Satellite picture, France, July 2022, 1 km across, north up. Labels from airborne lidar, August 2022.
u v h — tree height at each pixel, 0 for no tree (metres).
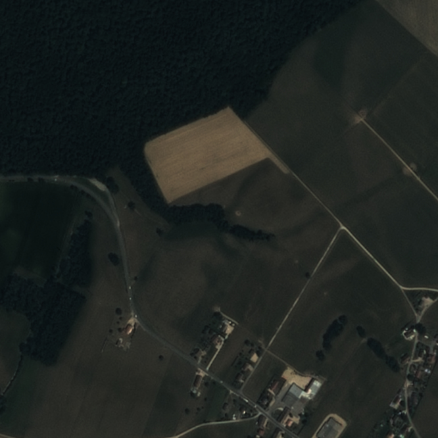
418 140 0
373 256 0
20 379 0
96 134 18
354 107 0
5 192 0
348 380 0
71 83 20
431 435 0
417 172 0
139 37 28
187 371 0
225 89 21
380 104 0
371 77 0
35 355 22
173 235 0
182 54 22
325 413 0
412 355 0
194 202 0
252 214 0
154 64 20
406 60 0
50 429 0
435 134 0
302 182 0
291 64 0
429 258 0
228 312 0
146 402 0
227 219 0
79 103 25
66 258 0
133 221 0
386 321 0
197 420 0
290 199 0
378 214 0
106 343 0
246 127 0
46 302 20
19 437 0
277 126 0
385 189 0
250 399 0
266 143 0
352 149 0
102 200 0
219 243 0
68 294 25
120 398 0
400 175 0
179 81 22
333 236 0
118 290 0
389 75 0
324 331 0
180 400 0
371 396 0
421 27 0
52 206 0
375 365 0
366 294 0
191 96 11
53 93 20
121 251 0
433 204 0
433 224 0
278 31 20
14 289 11
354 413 0
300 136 0
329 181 0
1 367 0
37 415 0
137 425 0
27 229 0
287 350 0
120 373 0
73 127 25
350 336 0
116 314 6
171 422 0
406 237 0
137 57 22
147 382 0
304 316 0
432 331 0
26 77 18
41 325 8
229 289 0
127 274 0
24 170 21
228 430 0
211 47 21
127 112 24
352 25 0
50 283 18
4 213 0
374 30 0
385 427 0
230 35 17
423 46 0
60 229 0
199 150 0
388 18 0
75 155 21
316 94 0
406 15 0
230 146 0
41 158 15
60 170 21
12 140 23
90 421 0
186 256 0
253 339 0
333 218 0
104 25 17
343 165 0
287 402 0
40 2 11
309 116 0
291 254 0
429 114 0
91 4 16
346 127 0
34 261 0
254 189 0
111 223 0
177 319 0
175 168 0
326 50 0
